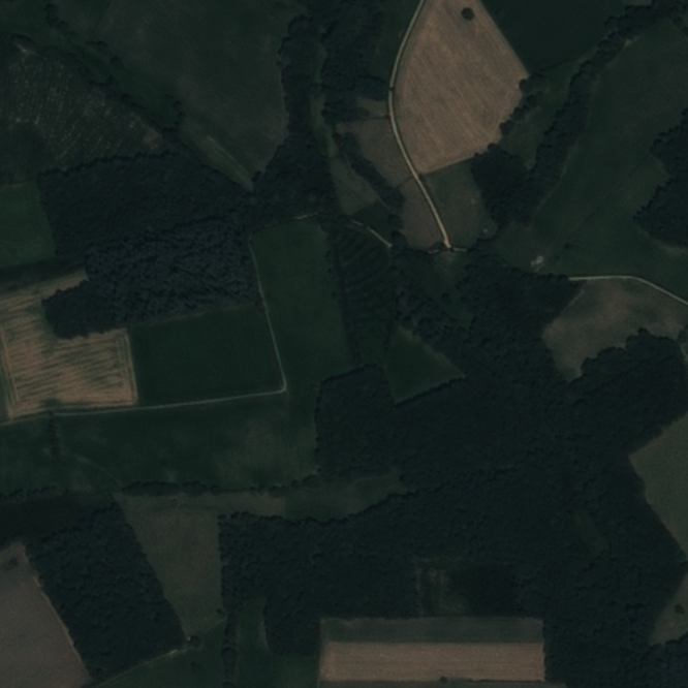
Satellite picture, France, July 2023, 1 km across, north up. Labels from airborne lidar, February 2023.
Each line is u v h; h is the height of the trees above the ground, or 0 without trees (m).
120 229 13
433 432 23
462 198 0
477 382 23
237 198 17
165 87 0
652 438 18
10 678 0
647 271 0
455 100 0
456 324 23
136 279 36
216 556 0
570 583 23
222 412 0
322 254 0
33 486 0
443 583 0
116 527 20
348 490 0
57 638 0
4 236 0
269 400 0
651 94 0
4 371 0
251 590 19
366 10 28
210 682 0
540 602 23
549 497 21
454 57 0
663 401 22
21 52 0
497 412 21
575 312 0
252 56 0
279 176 15
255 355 0
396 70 0
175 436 0
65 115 0
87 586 11
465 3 0
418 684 0
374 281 0
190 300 25
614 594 9
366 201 0
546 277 11
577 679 17
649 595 23
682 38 0
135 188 18
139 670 0
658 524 17
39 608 0
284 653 15
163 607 20
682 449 0
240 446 0
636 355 22
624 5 0
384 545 19
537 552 21
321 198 15
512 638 0
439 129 0
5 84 0
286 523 14
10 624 0
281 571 19
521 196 21
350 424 24
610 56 18
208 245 23
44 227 0
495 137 0
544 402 17
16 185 0
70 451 0
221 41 0
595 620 18
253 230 9
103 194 25
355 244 0
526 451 16
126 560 22
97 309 24
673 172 16
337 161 0
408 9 0
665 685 12
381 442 23
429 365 0
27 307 0
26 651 0
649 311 0
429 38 0
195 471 0
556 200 0
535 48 0
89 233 13
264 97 0
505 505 20
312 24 27
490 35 0
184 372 0
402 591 21
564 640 19
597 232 0
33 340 0
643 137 0
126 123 0
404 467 16
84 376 0
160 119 0
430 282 0
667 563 18
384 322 0
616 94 0
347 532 18
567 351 0
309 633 22
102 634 22
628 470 21
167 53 0
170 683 0
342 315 0
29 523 0
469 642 0
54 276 0
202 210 18
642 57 0
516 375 21
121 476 0
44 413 0
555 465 11
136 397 0
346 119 7
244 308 0
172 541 0
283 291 0
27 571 0
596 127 0
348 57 24
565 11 0
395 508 21
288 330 0
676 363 22
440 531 20
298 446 0
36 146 0
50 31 0
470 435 19
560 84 0
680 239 21
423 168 0
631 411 21
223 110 0
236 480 0
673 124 0
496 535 20
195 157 17
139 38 0
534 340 19
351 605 21
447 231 0
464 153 0
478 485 15
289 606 21
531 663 0
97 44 8
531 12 0
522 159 14
